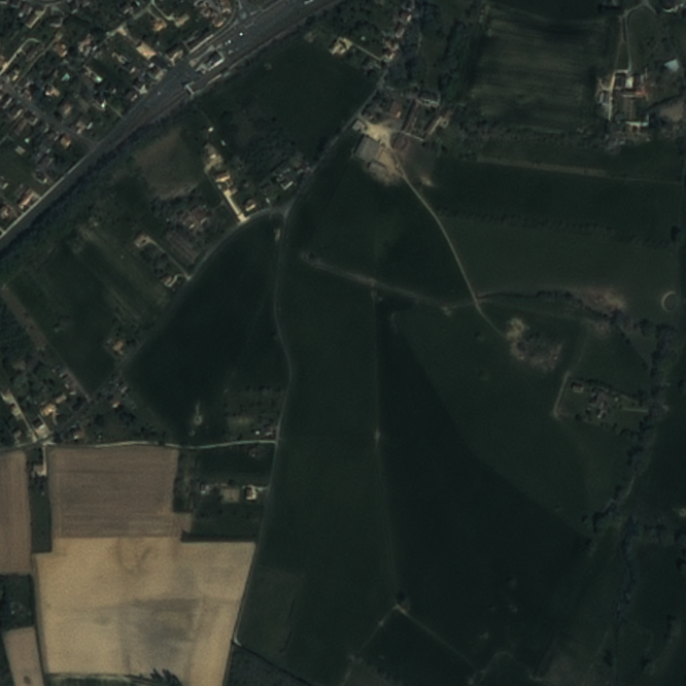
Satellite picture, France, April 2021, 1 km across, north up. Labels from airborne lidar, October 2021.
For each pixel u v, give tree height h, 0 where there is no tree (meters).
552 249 0
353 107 0
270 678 10
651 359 0
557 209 0
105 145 0
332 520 0
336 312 0
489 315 0
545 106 0
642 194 0
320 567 0
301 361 0
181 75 0
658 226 0
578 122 0
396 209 0
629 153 0
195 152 0
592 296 0
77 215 13
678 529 0
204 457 0
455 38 19
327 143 16
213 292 0
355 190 0
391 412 0
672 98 6
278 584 0
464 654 0
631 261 0
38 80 12
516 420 0
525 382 0
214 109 0
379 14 0
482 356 0
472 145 12
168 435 7
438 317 0
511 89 0
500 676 0
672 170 0
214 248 0
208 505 0
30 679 9
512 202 0
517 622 0
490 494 0
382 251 0
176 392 0
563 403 0
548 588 0
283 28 0
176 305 0
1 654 0
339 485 0
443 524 0
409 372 0
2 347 7
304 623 0
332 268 0
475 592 0
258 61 11
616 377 0
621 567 0
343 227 0
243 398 0
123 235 0
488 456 0
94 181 20
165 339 0
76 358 0
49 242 22
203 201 8
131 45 0
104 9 7
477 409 0
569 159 0
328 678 0
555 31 0
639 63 0
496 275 0
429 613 0
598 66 0
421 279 0
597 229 11
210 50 0
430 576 0
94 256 0
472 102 0
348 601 0
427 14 24
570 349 0
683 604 0
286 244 0
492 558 0
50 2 0
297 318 0
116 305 0
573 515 0
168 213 11
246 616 0
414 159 0
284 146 6
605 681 0
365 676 0
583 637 0
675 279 0
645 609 0
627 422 0
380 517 0
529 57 0
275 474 0
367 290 0
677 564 0
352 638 0
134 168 16
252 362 0
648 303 0
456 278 0
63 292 0
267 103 0
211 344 0
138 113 0
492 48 0
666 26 11
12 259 17
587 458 0
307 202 0
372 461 0
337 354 0
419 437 0
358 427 0
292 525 0
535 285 0
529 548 0
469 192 0
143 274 0
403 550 0
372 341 0
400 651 0
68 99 10
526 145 0
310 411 0
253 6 0
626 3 9
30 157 6
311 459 0
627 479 7
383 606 0
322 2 0
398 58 16
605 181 0
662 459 0
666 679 0
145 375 0
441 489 0
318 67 0
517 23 0
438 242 0
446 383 0
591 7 0
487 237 0
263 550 0
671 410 0
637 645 0
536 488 0
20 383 15
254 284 0
